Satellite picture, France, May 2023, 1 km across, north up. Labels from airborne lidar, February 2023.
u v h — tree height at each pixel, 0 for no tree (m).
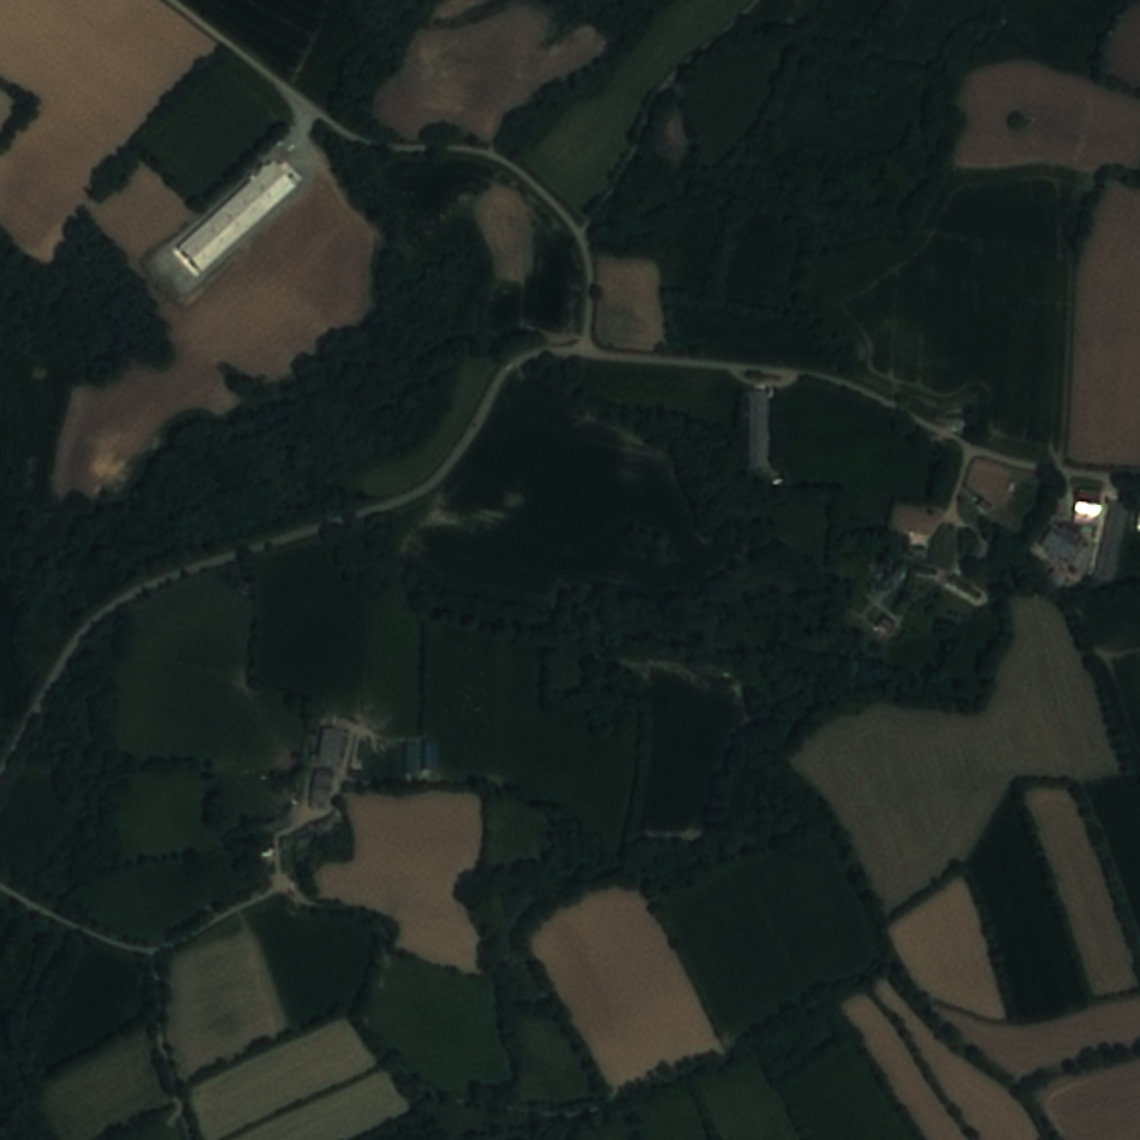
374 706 0
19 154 0
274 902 0
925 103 9
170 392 0
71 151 0
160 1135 0
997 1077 9
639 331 0
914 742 0
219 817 14
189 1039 0
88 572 0
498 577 0
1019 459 0
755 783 9
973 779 0
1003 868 0
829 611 19
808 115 0
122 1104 0
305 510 13
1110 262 0
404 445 15
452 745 0
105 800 18
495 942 13
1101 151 0
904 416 11
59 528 0
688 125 7
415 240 0
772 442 11
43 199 0
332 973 0
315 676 0
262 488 14
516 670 0
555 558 0
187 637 0
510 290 0
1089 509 0
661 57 0
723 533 17
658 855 19
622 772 0
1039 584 18
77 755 6
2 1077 16
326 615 0
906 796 0
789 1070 13
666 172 0
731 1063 10
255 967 0
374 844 0
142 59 0
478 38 0
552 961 0
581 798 0
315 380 16
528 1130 6
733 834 9
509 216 0
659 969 0
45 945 20
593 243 9
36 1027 15
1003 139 0
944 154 15
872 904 18
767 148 9
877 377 0
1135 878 0
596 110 0
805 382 7
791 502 12
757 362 0
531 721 0
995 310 0
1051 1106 0
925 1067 9
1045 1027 0
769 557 16
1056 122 0
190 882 0
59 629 0
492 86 0
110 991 0
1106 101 0
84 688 16
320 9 0
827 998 19
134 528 17
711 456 17
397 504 0
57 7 0
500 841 0
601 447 0
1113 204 0
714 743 0
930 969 0
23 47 0
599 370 0
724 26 0
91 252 17
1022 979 0
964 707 15
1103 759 0
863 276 0
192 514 11
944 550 0
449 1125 0
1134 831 0
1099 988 0
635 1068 0
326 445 8
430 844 0
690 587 0
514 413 0
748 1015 0
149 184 0
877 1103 0
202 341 0
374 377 18
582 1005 0
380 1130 7
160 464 15
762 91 0
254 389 18
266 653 0
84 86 0
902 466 0
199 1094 0
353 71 11
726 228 8
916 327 0
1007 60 0
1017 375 0
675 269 0
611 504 0
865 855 0
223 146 0
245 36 0
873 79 15
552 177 0
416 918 0
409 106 0
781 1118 0
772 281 0
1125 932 9
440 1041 0
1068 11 0
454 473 0
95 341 18
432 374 10
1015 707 0
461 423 0
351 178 16
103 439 0
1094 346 0
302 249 0
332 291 0
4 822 0
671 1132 0
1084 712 0
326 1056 0
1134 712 0
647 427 16
